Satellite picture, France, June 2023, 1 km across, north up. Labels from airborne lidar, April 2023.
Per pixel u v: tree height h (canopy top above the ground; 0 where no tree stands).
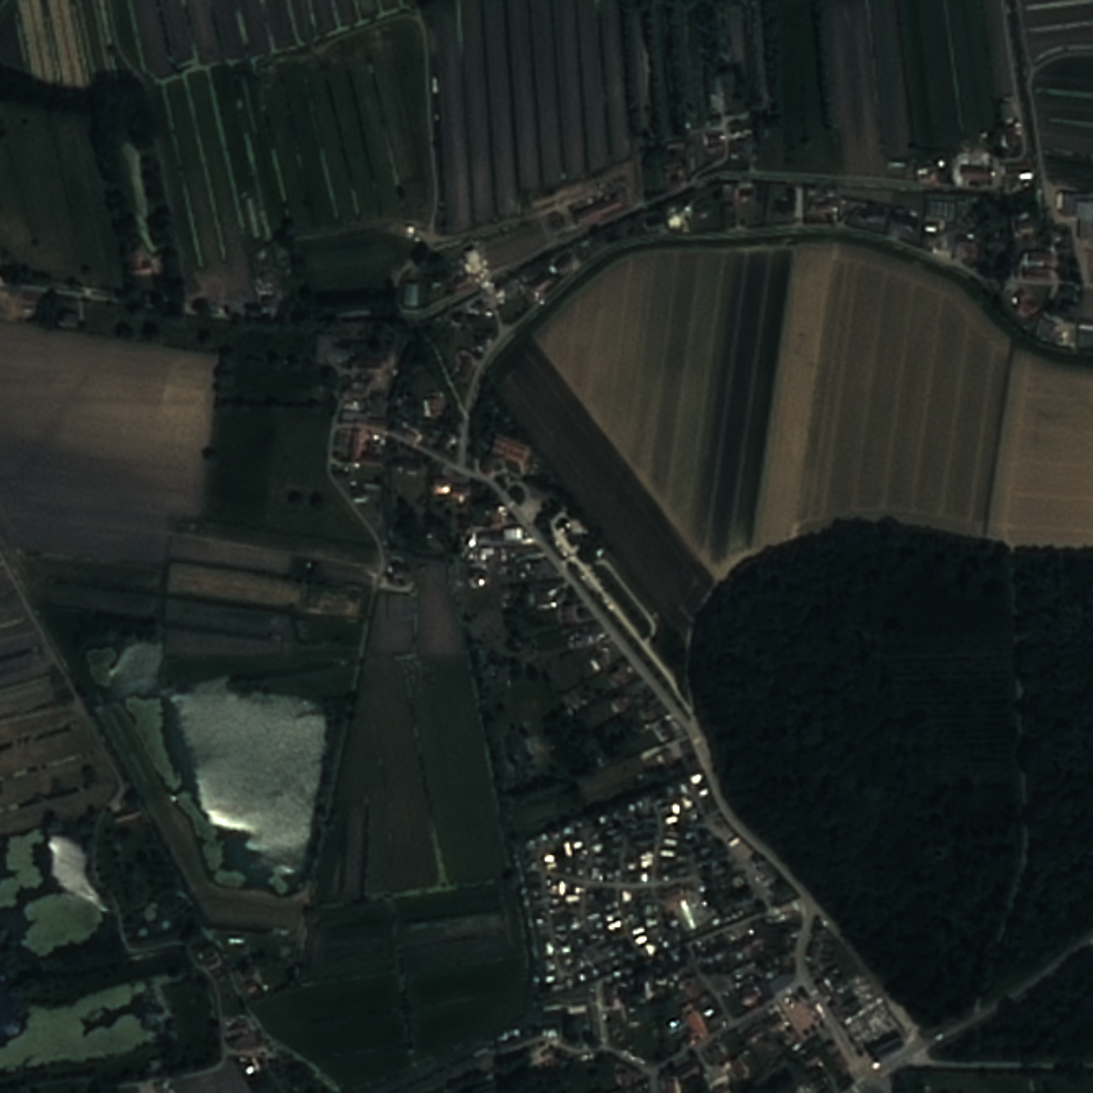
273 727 0
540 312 0
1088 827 25
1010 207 13
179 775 0
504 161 0
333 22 0
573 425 0
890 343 0
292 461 0
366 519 0
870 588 24
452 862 0
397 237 0
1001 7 0
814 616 23
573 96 0
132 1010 0
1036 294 0
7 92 14
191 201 0
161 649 0
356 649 0
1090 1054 15
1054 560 19
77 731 0
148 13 0
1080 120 0
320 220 0
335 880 0
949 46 0
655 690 0
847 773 24
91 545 0
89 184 0
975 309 0
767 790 19
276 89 0
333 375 11
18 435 0
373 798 0
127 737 0
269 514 0
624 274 0
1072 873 17
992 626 7
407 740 0
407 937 0
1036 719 23
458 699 0
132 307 15
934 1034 0
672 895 0
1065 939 15
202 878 0
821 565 14
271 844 0
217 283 0
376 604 0
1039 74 0
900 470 0
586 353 0
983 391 0
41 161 0
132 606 0
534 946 0
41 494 0
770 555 7
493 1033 0
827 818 17
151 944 0
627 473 0
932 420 0
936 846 24
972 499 0
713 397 0
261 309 6
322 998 0
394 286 14
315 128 0
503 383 0
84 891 0
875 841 25
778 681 22
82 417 0
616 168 0
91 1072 6
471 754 0
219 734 0
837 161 0
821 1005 0
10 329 0
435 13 0
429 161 0
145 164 7
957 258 0
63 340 0
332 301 19
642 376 0
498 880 0
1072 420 0
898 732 19
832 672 22
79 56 0
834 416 0
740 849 0
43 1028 0
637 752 0
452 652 0
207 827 0
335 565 0
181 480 0
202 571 0
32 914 0
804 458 0
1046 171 0
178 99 0
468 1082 8
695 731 0
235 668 0
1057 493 0
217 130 0
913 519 0
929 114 0
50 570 0
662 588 0
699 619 13
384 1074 0
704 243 0
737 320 0
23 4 0
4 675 0
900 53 0
